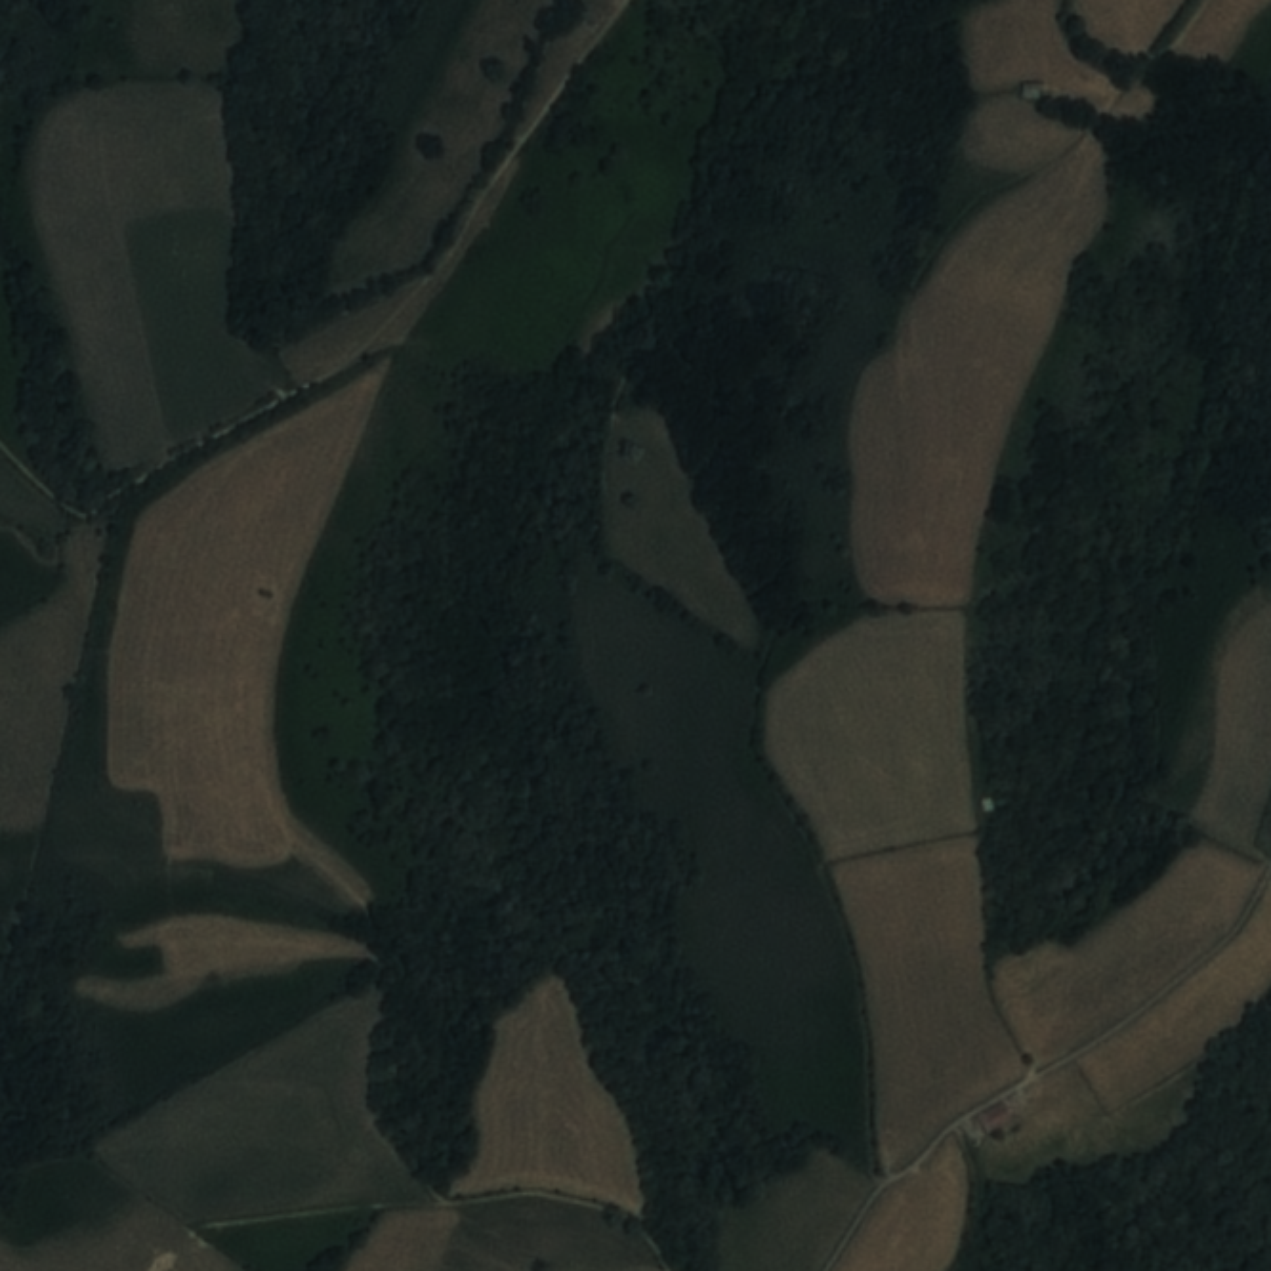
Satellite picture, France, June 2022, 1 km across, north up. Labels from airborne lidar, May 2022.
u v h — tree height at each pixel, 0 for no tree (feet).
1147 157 74
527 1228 0
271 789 0
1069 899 70
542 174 0
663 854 31
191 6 0
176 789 0
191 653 0
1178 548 47
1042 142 0
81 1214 0
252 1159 0
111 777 0
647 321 38
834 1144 33
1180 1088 0
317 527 0
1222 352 62
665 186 0
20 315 34
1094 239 0
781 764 0
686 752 0
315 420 0
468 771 42
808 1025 0
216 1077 0
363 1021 0
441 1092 56
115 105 0
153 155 0
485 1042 60
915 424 0
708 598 0
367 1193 0
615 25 0
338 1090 0
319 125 64
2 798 0
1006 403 0
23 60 47
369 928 49
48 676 0
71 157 0
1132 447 41
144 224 0
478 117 0
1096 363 36
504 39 0
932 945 0
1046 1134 0
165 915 0
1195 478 72
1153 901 0
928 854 0
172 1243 0
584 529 43
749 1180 56
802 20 79
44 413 79
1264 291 63
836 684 0
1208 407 50
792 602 51
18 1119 27
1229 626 0
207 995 0
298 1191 0
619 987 63
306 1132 0
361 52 36
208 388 0
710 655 0
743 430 56
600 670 0
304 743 0
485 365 18
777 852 0
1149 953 0
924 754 0
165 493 0
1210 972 0
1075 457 58
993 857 37
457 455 35
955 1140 0
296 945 0
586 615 0
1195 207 25
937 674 0
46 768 0
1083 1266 61
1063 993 0
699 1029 57
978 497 0
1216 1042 28
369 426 0
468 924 97
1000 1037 0
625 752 0
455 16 0
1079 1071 0
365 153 57
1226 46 0
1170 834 51
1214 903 0
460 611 57
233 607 0
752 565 67
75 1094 21
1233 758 0
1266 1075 60
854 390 0
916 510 0
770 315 58
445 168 0
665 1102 63
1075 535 58
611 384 53
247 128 47
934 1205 0
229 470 0
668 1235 41
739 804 0
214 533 0
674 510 0
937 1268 0
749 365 58
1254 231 60
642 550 0
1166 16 0
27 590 0
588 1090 0
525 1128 0
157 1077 0
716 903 0
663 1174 44
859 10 87
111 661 0
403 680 39
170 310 0
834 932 0
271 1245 0
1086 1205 85
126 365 0
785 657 0
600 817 25
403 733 74
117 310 0
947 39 76
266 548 0
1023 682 29
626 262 0
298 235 65
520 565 61
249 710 0
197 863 0
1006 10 0
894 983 0
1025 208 0
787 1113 0
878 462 0
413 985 57
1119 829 64
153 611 0
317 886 0
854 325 0
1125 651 77
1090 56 54
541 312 0
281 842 0
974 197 0
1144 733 75
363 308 27
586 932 47
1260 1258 38
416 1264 0
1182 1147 52
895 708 0
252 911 0
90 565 0
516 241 0
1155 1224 67
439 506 24
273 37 77
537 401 56
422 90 0
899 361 0
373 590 22
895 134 40
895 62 73
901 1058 0
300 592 0
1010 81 0
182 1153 0
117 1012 0
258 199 52
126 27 0
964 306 0
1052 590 53
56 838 0
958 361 0
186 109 0
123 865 0
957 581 0
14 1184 38
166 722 0
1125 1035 0
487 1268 0
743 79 58
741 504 86
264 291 65
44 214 0
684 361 72
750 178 74
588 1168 0
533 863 65
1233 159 67
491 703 78
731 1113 51
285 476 0
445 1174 49
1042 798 33
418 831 27
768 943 0
